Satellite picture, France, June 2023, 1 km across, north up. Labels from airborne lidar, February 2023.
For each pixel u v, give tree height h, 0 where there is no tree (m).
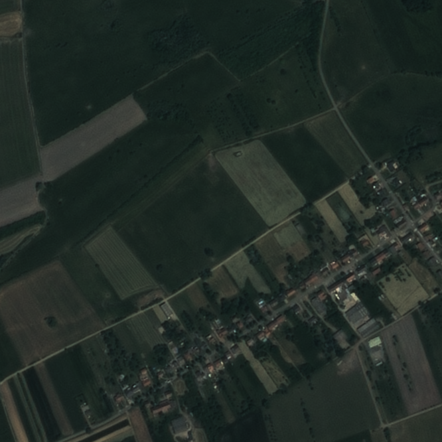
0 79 0
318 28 12
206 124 0
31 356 0
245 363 7
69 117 0
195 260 0
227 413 0
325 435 0
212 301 0
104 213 0
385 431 8
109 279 0
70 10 0
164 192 0
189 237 0
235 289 0
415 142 10
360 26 0
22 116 0
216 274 0
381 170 0
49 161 0
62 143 0
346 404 0
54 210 0
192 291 0
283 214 0
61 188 0
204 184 0
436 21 0
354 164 0
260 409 0
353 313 0
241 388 0
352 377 0
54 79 0
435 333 0
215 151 0
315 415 0
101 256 0
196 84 0
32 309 0
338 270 0
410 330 0
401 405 0
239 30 0
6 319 0
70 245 0
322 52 0
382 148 0
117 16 0
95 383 0
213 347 0
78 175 0
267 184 0
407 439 0
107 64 0
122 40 0
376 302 0
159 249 0
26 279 0
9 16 0
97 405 0
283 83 0
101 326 0
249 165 0
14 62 0
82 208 0
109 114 0
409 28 0
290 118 0
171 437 0
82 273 0
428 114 0
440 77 12
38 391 0
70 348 0
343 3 0
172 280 0
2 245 0
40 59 0
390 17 0
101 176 0
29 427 0
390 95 0
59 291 0
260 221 0
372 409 0
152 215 0
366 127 0
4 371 0
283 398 0
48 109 0
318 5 9
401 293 0
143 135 0
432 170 0
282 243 0
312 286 0
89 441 0
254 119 7
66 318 0
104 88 0
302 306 0
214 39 0
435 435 0
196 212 0
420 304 9
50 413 0
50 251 0
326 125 0
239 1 0
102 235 0
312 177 0
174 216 0
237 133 0
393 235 0
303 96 0
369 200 6
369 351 0
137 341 0
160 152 0
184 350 7
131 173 0
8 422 0
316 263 0
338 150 0
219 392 0
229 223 0
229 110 0
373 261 0
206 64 0
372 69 0
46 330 0
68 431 0
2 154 0
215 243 0
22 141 0
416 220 0
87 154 0
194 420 0
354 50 0
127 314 0
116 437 0
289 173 0
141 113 0
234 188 0
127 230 0
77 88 0
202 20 0
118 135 0
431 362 0
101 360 0
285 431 0
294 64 0
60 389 0
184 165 0
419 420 0
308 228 0
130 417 0
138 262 0
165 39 7
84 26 0
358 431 0
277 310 0
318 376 0
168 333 15
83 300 0
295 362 0
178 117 14
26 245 0
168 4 0
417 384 0
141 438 0
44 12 0
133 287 0
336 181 0
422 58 0
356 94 0
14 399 0
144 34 0
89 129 0
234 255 0
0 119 0
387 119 0
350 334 0
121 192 0
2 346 0
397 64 0
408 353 0
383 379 0
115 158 0
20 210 0
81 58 0
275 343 0
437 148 0
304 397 0
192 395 0
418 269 0
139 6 0
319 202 0
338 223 0
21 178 0
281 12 0
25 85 0
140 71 0
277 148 0
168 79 0
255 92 0
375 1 0
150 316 0
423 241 0
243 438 0
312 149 0
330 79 0
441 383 0
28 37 0
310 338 0
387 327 0
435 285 0
